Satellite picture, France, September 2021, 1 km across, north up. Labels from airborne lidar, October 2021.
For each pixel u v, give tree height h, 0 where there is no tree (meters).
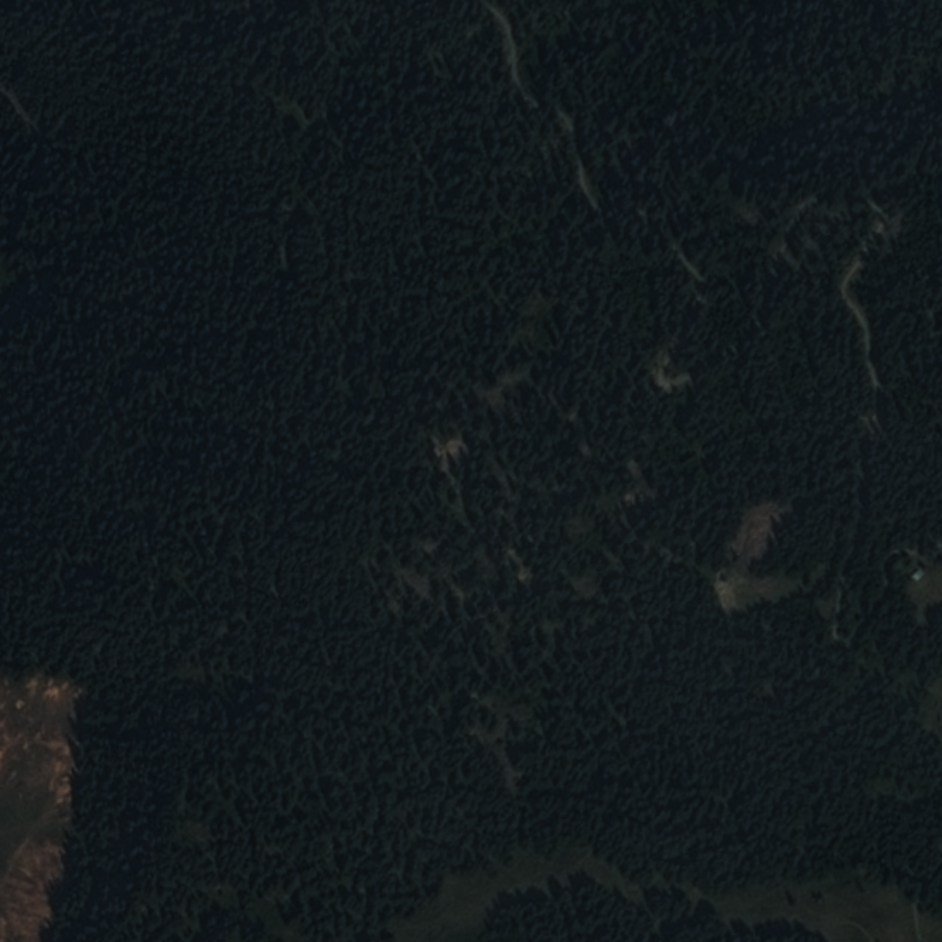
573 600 29
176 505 19
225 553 21
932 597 0
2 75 23
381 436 26
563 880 0
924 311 25
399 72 27
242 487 13
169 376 16
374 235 27
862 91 9
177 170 9
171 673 25
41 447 17
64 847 0
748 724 31
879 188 30
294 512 20
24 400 20
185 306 16
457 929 0
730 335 11
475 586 25
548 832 21
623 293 25
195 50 8
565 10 27
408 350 21
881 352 17
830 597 12
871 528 28
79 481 16
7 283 0
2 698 0
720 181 29
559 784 22
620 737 28
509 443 23
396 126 26
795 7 33
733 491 32
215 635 16
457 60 25
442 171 23
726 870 20
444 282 18
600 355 26
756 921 0
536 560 25
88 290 25
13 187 23
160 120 16
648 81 8
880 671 0
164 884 17
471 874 23
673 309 28
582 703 24
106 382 10
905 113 30
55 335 22
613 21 27
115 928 19
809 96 25
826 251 24
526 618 28
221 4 25
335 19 27
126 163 26
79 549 17
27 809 0
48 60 16
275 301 20
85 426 18
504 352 24
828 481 32
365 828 24
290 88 26
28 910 0
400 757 18
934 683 21
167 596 20
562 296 28
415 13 13
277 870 18
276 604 26
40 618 15
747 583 0
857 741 22
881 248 23
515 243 7
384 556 19
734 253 7
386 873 19
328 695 26
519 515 7
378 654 21
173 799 14
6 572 20
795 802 25
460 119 27
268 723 23
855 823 25
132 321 19
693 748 28
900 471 30
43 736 0
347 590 19
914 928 0
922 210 8
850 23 35
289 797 25
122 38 25
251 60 28
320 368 26
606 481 32
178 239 11
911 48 19
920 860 20
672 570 7
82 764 19
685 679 27
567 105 25
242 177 22
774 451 11
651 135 28
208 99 19
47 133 23
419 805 24
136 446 17
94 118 24
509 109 18
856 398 21
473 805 15
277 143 22
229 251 22
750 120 8
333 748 24
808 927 0
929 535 19
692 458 15
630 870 23
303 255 17
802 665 15
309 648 23
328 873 8
